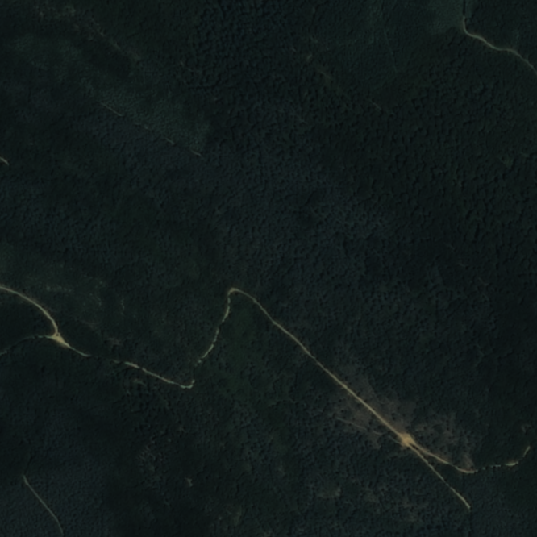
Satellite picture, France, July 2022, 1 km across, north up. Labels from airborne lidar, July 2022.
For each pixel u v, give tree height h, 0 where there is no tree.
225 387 6
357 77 22
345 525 16
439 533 16
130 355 14
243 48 24
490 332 25
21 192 17
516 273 31
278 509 19
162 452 18
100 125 20
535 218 19
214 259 17
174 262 7
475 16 27
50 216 22
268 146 20
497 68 15
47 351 21
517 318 27
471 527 14
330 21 21
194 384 11
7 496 12
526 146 20
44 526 10
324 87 7
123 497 18
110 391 27
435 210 27
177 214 22
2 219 22
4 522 12
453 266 16
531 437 25
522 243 27
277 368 19
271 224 21
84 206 15
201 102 14
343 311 7
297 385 17
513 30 12
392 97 20
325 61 18
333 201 20
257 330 6
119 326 9
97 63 13
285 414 15
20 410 21
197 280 12
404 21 19
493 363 23
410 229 13
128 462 15
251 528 14
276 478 21
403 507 13
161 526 27
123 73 12
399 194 25
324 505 20
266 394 15
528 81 18
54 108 19
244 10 23
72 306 7
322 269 7
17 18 18
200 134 17
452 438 8
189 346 13
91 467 17
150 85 11
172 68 22
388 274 9
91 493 16
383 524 18
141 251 16
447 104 24
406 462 12
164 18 16
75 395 19
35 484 15
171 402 22
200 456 18
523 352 17
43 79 18
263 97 17
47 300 8
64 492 17
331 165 20
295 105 18
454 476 10
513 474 8
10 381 19
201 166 22
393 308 17
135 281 20
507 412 29
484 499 19
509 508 11
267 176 22
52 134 12
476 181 25
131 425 27
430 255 20
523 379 18
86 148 9
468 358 18
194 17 18
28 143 6
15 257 8
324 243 25
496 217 30
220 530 13
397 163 25
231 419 14
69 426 21
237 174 19
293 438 16
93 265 18
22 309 7
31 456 12
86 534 17
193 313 16
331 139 17
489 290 18
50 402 19
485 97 21
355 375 8
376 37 15
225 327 20
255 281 9
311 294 18
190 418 14
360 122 22
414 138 31
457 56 19
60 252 20
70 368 21
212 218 9
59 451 17
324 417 20
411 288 22
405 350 10
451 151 25
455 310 12
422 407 7
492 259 25
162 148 18
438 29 17
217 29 25
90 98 10
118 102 18
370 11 15
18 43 15
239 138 26
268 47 21
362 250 24
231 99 13
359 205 18
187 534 18
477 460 15
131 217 8
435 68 20
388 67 21
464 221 31
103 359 18
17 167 8
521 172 27
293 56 15
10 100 10
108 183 16
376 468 21
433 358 10
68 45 13
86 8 11
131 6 16
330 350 13
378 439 6
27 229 25
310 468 22
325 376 16
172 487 15
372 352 12
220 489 24
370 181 23
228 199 19
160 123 13
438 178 24
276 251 9
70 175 10
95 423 24
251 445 17
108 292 12
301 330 8
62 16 6
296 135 19
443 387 18
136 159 18
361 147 26
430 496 17
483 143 22
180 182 21
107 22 16
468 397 9
